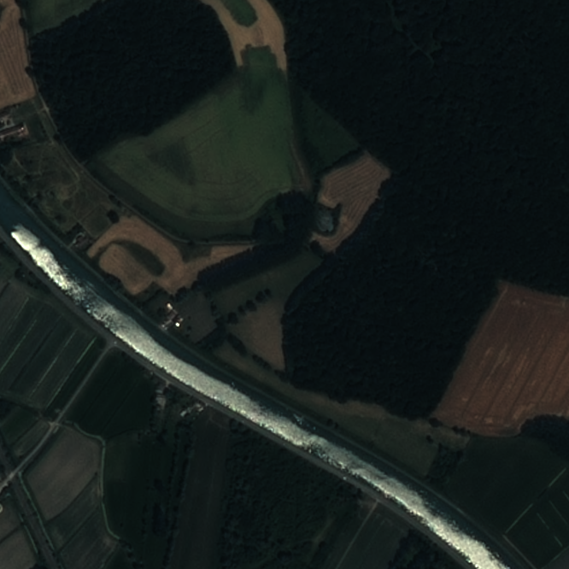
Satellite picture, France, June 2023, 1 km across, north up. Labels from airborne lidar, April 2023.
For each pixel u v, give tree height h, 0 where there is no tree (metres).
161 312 5
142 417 0
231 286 0
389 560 0
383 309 21
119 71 16
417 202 18
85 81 22
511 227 21
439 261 19
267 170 0
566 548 0
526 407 0
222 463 0
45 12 0
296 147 0
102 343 0
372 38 18
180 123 0
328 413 0
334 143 0
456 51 16
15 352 0
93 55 17
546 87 19
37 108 0
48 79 18
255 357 8
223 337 7
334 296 19
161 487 25
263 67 0
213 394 0
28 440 0
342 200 0
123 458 0
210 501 0
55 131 0
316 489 6
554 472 0
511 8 19
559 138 22
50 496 0
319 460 0
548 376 0
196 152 0
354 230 0
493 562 0
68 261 0
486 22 20
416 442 0
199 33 19
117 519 0
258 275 0
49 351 0
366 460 0
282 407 0
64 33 13
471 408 0
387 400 16
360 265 17
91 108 13
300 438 0
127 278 0
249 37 0
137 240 0
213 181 0
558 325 0
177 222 0
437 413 0
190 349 0
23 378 0
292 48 18
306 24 22
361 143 14
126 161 0
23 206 0
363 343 17
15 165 0
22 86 0
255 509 11
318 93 20
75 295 0
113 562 0
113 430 0
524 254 23
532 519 0
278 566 9
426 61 19
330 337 20
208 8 9
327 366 16
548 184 23
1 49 0
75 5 0
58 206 0
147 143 0
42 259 0
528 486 0
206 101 0
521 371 0
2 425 0
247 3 0
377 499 0
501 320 0
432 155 20
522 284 14
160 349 0
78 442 0
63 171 0
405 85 19
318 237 0
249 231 0
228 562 14
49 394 0
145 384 0
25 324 0
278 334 0
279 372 7
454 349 20
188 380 0
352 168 0
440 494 0
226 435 0
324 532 0
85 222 0
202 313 0
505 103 19
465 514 0
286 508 6
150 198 0
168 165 0
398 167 19
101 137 17
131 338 0
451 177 22
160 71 19
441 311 22
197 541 0
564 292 16
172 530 12
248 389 0
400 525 0
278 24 0
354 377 17
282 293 0
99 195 0
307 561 0
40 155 0
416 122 23
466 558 0
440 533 0
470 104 19
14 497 0
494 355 0
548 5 22
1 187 0
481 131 21
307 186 0
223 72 15
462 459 13
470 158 22
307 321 16
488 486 0
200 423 0
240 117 0
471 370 0
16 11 0
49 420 0
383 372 18
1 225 0
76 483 0
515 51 19
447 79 20
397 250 18
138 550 0
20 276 8
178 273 0
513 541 0
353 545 0
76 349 0
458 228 22
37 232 0
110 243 0
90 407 0
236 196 0
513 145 8
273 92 0
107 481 0
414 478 0
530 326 0
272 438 0
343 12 23
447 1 11
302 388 10
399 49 19
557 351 0
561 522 0
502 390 0
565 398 0
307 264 0
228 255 0
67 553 0
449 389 0
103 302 0
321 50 21
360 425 0
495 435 0
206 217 0
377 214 17
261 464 8
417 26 18
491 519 0
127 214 0
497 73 21
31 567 0
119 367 0
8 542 0
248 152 0
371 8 22
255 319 0
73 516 0
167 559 10
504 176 21
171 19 19
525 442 0
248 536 9
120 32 18
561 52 20
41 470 0
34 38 7
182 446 0
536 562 0
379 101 22
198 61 17
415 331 19
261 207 0
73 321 0
